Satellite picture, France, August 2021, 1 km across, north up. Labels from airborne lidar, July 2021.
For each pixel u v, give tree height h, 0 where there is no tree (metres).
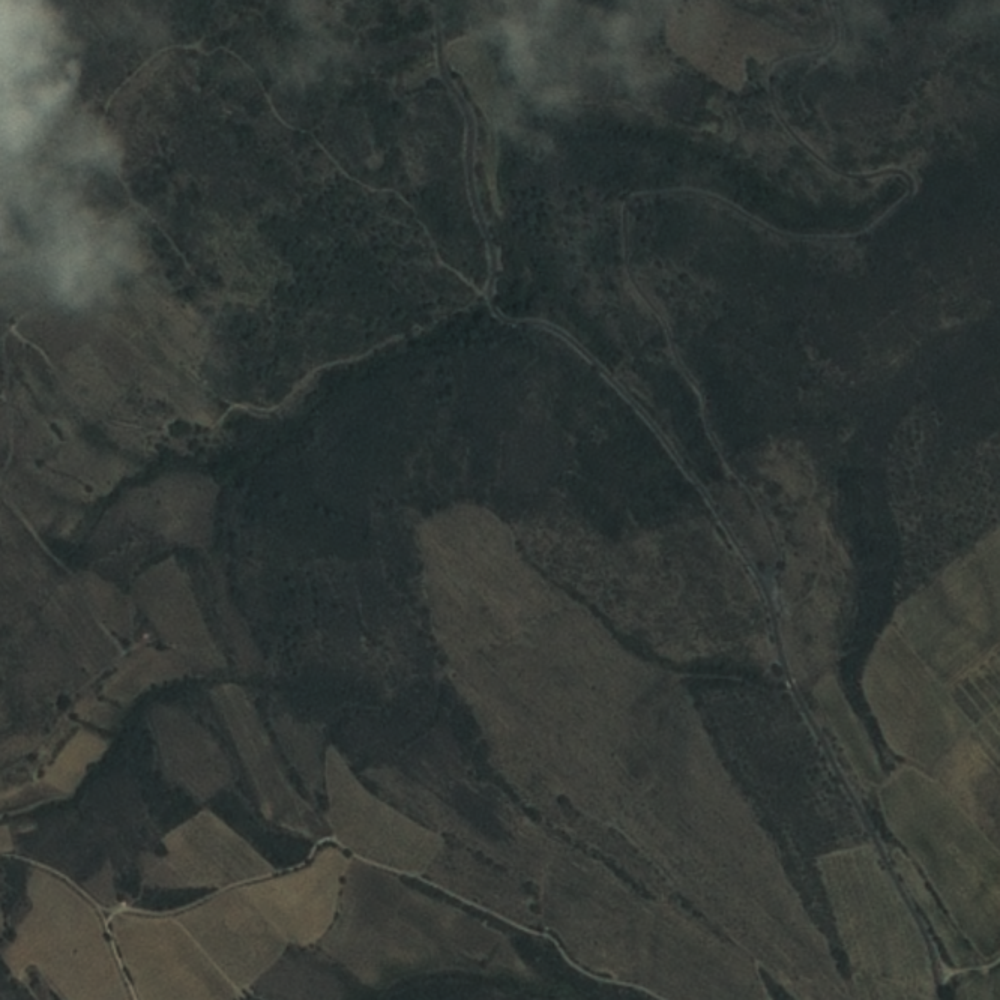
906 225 0
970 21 0
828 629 0
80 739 0
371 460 0
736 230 0
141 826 0
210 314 5
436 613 0
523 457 0
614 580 0
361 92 6
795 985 0
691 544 0
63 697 8
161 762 0
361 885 0
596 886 0
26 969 0
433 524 0
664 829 0
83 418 0
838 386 0
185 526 0
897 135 0
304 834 0
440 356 10
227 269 0
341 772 0
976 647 0
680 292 0
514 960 0
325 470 0
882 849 0
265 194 0
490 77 0
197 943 0
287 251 9
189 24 6
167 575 0
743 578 0
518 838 0
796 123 0
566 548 0
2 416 0
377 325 10
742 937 0
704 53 0
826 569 0
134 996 0
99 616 0
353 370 12
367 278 5
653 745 0
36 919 0
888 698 0
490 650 0
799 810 0
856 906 0
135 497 0
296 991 0
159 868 0
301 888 0
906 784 0
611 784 0
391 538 0
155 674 0
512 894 0
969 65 0
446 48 0
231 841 0
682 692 0
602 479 0
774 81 9
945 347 0
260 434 7
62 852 0
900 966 0
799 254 0
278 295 7
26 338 0
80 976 0
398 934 0
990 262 0
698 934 0
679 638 0
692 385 0
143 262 0
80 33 0
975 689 0
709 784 0
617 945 0
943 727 0
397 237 7
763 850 0
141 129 0
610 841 0
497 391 0
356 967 0
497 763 0
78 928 0
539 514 0
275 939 0
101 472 0
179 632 0
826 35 0
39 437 0
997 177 0
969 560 0
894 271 0
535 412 0
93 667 0
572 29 0
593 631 0
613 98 0
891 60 0
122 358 0
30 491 0
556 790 0
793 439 0
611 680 0
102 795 0
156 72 0
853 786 0
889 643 0
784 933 0
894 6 0
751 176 5
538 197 7
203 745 0
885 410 0
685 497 7
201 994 0
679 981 0
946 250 0
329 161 0
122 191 0
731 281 0
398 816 0
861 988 0
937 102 0
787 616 0
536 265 7
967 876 0
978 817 0
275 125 0
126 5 0
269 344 8
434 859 0
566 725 0
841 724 0
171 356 0
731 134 0
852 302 0
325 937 0
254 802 0
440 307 10
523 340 8
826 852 0
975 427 0
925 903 0
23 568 0
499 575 0
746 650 0
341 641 0
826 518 0
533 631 0
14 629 0
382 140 5
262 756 0
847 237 0
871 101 0
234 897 0
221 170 0
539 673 0
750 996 0
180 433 12
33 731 0
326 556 0
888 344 0
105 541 0
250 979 0
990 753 0
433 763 0
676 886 0
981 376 0
